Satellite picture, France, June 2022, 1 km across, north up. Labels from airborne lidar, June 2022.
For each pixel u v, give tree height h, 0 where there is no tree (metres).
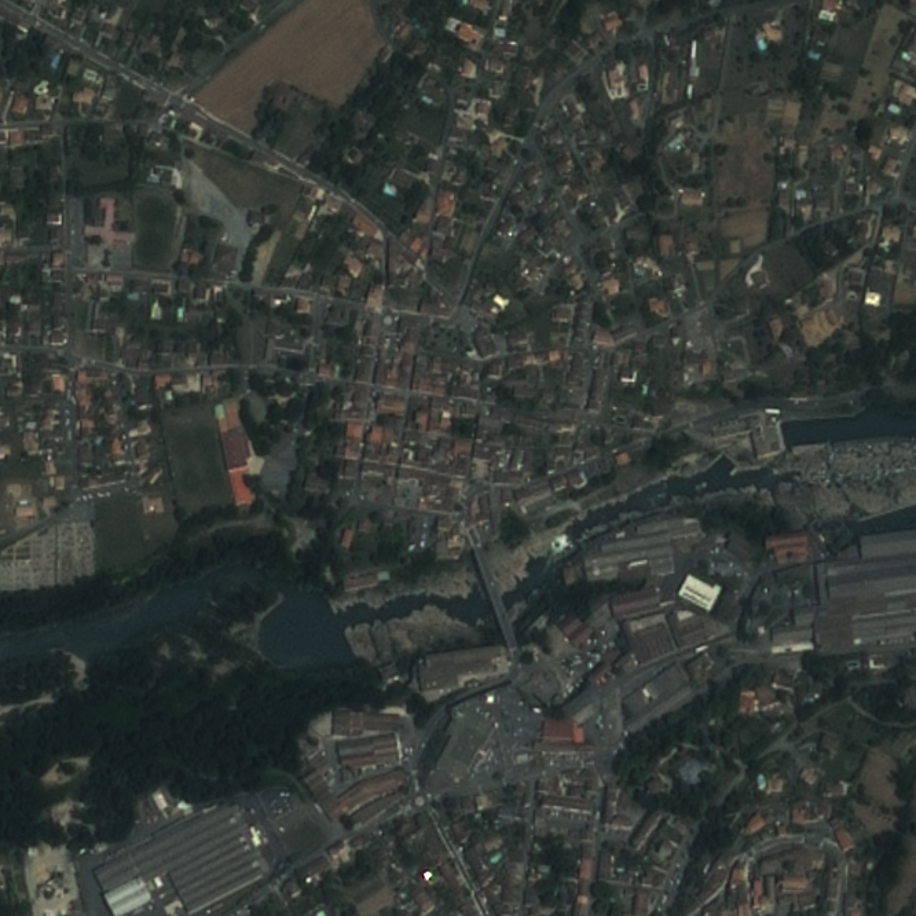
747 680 24
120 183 10
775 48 12
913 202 0
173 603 0
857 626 0
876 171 0
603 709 0
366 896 0
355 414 0
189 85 0
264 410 0
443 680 0
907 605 0
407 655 12
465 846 6
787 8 0
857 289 6
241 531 0
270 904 6
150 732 29
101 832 19
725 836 10
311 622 0
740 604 0
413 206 8
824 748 10
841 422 0
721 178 0
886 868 18
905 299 0
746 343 0
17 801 32
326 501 13
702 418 0
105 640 0
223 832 0
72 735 18
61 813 0
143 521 0
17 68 11
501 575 0
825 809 0
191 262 0
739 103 0
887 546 0
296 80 0
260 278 0
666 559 0
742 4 6
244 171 0
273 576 18
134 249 0
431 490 0
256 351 0
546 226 14
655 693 0
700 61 0
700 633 0
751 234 0
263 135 15
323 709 13
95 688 15
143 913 0
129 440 0
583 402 0
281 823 0
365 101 9
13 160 13
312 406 16
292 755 17
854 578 0
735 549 0
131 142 8
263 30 0
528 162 8
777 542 0
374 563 12
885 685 9
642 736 15
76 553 0
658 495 0
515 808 0
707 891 0
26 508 0
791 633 0
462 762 0
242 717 16
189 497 0
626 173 8
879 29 0
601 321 9
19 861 10
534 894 0
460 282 0
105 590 21
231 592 21
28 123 0
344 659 0
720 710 25
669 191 10
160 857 0
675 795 11
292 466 0
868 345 11
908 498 0
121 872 0
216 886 0
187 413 0
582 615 15
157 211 0
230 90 0
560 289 8
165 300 6
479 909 0
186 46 6
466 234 0
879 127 0
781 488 0
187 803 21
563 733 0
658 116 9
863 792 12
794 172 14
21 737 31
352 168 16
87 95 0
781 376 0
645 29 0
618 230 0
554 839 6
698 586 0
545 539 0
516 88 7
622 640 16
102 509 0
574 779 0
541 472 7
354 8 0
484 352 0
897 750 0
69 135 6
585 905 0
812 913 11
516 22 7
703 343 0
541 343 0
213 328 8
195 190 0
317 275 5
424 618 0
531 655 11
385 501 0
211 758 8
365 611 0
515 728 0
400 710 0
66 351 0
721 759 17
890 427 0
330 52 0
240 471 0
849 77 0
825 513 0
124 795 22
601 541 0
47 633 0
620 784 8
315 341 0
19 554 0
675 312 0
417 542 0
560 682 0
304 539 0
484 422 0
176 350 10
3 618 20
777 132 6
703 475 0
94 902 0
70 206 0
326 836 0
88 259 0
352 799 0
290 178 0
